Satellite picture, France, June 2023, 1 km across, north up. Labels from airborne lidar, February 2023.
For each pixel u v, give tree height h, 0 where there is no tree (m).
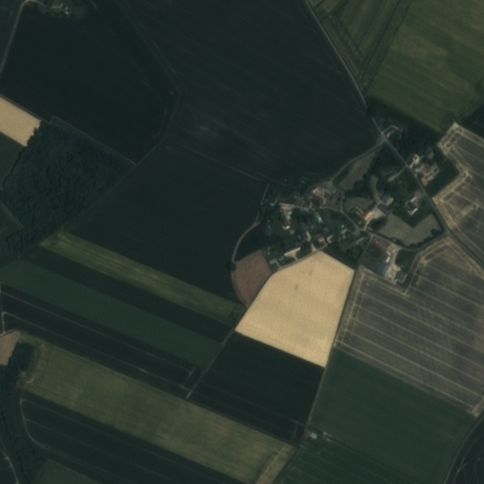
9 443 0
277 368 0
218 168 0
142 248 0
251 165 0
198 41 0
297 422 0
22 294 0
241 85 0
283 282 0
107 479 0
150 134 0
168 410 0
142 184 0
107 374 0
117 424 0
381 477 0
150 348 0
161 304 0
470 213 0
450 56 0
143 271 0
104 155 16
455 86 0
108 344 0
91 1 0
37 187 14
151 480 0
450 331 0
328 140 0
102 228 0
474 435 0
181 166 0
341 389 0
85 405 0
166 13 0
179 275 0
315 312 0
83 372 0
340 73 0
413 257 0
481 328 0
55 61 0
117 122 0
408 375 0
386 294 0
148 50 0
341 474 0
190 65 0
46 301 0
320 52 0
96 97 0
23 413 0
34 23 0
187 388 0
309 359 0
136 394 0
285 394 0
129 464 0
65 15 6
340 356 0
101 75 0
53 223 23
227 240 0
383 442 0
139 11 0
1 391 14
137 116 0
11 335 0
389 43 0
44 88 0
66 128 0
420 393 0
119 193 0
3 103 0
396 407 0
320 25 0
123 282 0
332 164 0
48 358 0
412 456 0
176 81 0
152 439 0
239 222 0
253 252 0
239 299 0
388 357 0
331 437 0
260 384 0
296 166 0
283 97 0
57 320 0
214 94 0
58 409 0
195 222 0
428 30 0
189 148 0
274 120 0
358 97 0
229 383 0
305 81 0
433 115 0
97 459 0
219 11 0
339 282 0
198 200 0
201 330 0
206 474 0
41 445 0
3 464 0
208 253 0
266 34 0
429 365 0
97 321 0
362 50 0
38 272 0
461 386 0
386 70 0
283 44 0
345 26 0
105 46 0
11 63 0
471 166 0
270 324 0
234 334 0
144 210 0
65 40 0
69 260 0
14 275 0
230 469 0
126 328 0
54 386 0
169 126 0
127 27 0
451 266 0
